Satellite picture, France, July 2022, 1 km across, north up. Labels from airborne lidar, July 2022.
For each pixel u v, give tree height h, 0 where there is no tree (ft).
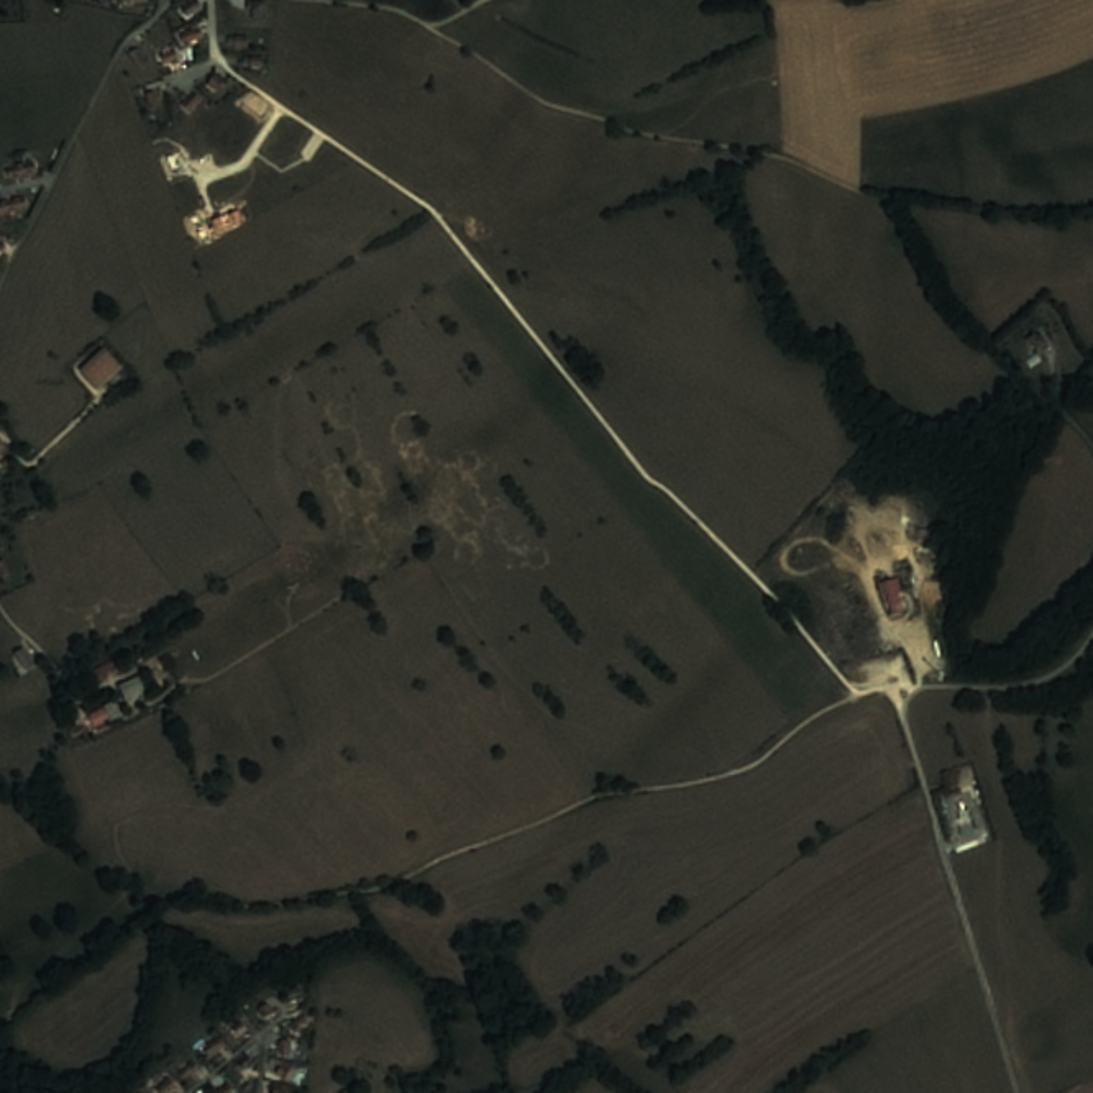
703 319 0
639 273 0
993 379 0
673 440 0
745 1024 0
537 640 0
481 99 0
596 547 0
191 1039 0
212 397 0
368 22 0
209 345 52
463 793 0
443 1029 33
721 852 0
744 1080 0
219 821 0
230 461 0
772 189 0
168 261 0
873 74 0
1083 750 0
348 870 0
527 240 0
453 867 0
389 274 0
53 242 0
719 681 0
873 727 0
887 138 0
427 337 0
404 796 0
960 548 59
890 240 0
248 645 0
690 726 0
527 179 0
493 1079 0
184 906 58
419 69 0
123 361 18
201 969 48
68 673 64
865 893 0
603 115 0
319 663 0
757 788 0
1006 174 0
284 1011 0
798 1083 43
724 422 0
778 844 0
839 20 0
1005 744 63
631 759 0
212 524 0
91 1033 0
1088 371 30
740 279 34
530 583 0
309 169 0
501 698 0
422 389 0
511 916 0
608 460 0
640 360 0
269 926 0
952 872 0
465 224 0
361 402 0
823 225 0
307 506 47
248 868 0
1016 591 0
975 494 27
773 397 0
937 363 0
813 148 0
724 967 0
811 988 0
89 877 0
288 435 0
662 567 0
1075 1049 0
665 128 0
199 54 31
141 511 0
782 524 0
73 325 0
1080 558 0
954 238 0
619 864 0
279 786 0
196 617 54
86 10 0
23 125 0
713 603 0
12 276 0
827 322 0
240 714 0
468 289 0
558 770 0
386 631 40
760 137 0
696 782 0
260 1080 0
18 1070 53
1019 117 0
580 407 0
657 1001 0
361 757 0
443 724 0
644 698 21
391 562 0
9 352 0
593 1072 34
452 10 0
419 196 0
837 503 0
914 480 29
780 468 0
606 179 0
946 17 0
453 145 0
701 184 54
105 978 0
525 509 21
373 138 0
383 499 0
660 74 0
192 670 0
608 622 0
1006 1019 0
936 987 0
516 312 0
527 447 0
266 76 0
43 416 0
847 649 0
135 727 0
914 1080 0
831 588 0
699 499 0
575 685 0
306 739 0
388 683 0
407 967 28
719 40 0
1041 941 0
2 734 0
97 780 0
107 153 0
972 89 0
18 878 0
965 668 21
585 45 0
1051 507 0
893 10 0
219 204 0
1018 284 0
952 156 0
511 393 0
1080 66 0
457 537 0
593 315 0
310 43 0
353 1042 0
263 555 0
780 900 0
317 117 0
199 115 0
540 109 0
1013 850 0
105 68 0
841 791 0
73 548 0
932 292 55
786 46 0
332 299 0
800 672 0
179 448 0
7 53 0
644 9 0
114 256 0
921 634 0
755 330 0
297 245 0
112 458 0
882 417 69
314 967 24
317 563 0
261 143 0
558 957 0
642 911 0
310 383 0
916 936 0
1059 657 26
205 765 0
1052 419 47
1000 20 0
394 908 0
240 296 0
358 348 0
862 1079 0
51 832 64
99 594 0
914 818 0
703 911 0
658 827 0
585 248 0
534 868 0
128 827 0
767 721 0
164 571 0
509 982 45
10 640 0
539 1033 73
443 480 0
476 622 0
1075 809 0
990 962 0
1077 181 0
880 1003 0
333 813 0
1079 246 0
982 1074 0
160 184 0
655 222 0
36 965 0
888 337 0
